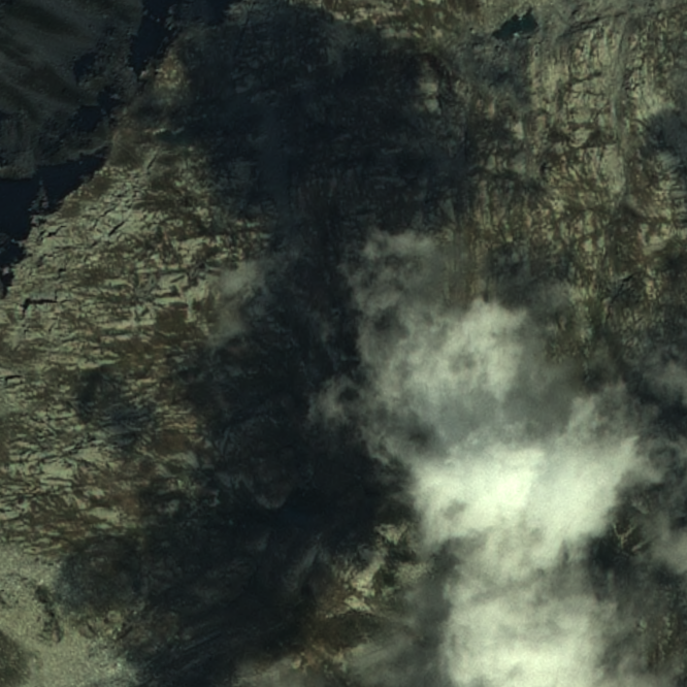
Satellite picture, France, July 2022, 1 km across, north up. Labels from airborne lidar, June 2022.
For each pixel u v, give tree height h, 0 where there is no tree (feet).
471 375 0
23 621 0
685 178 0
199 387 0
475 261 0
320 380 0
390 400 0
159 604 0
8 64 0
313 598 0
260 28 0
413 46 0
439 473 0
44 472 0
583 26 0
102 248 0
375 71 0
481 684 0
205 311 0
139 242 0
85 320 0
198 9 0
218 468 0
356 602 0
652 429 0
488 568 0
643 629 0
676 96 0
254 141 0
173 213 0
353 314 0
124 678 0
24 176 0
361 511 0
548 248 0
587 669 0
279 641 0
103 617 0
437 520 0
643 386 0
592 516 0
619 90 0
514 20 0
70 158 0
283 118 0
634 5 0
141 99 0
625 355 0
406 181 0
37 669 0
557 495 0
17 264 0
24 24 0
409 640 0
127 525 0
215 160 0
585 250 0
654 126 0
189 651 0
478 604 0
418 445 0
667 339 0
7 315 0
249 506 0
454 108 0
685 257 0
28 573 0
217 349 0
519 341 0
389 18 0
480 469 0
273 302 0
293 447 0
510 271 0
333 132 0
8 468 0
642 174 0
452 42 0
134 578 0
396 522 0
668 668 0
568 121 0
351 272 0
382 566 0
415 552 0
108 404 0
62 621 0
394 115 0
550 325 0
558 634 0
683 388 0
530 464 0
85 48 0
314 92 0
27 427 0
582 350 0
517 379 0
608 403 0
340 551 0
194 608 0
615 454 0
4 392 0
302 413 0
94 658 0
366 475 0
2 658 0
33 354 0
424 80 0
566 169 0
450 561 0
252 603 0
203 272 0
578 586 0
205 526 0
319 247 0
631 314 0
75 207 0
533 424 0
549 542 0
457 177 0
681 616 0
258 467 0
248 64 0
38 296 0
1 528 0
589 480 0
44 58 0
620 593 0
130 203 0
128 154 0
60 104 0
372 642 0
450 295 0
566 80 0
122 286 0
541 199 0
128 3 0
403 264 0
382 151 0
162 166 0
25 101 0
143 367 0
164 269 0
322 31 0
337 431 0
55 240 0
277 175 0
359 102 0
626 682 0
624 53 0
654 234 0
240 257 0
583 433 0
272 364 0
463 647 0
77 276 0
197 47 0
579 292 0
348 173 0
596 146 0
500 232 0
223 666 0
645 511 0
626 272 0
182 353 0
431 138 0
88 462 0
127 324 0
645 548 0
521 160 0
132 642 0
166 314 0
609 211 0
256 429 0
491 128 0
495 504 0
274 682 0
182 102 0
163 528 0
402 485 0
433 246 0
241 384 0
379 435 0
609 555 0
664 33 0
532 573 0
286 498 0
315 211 0
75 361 0
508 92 0
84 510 0
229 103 0
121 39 0
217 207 0
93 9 0
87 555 0
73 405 0
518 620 0
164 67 0
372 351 0
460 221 0
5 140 0
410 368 0
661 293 0
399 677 0
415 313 0
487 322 0
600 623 31
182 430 0
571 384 0
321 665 0
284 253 0
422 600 0
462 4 0
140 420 0
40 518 0
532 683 0
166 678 0
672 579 0
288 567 0
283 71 0
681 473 0
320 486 0
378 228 0
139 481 0
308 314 0
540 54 0
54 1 0
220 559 0
